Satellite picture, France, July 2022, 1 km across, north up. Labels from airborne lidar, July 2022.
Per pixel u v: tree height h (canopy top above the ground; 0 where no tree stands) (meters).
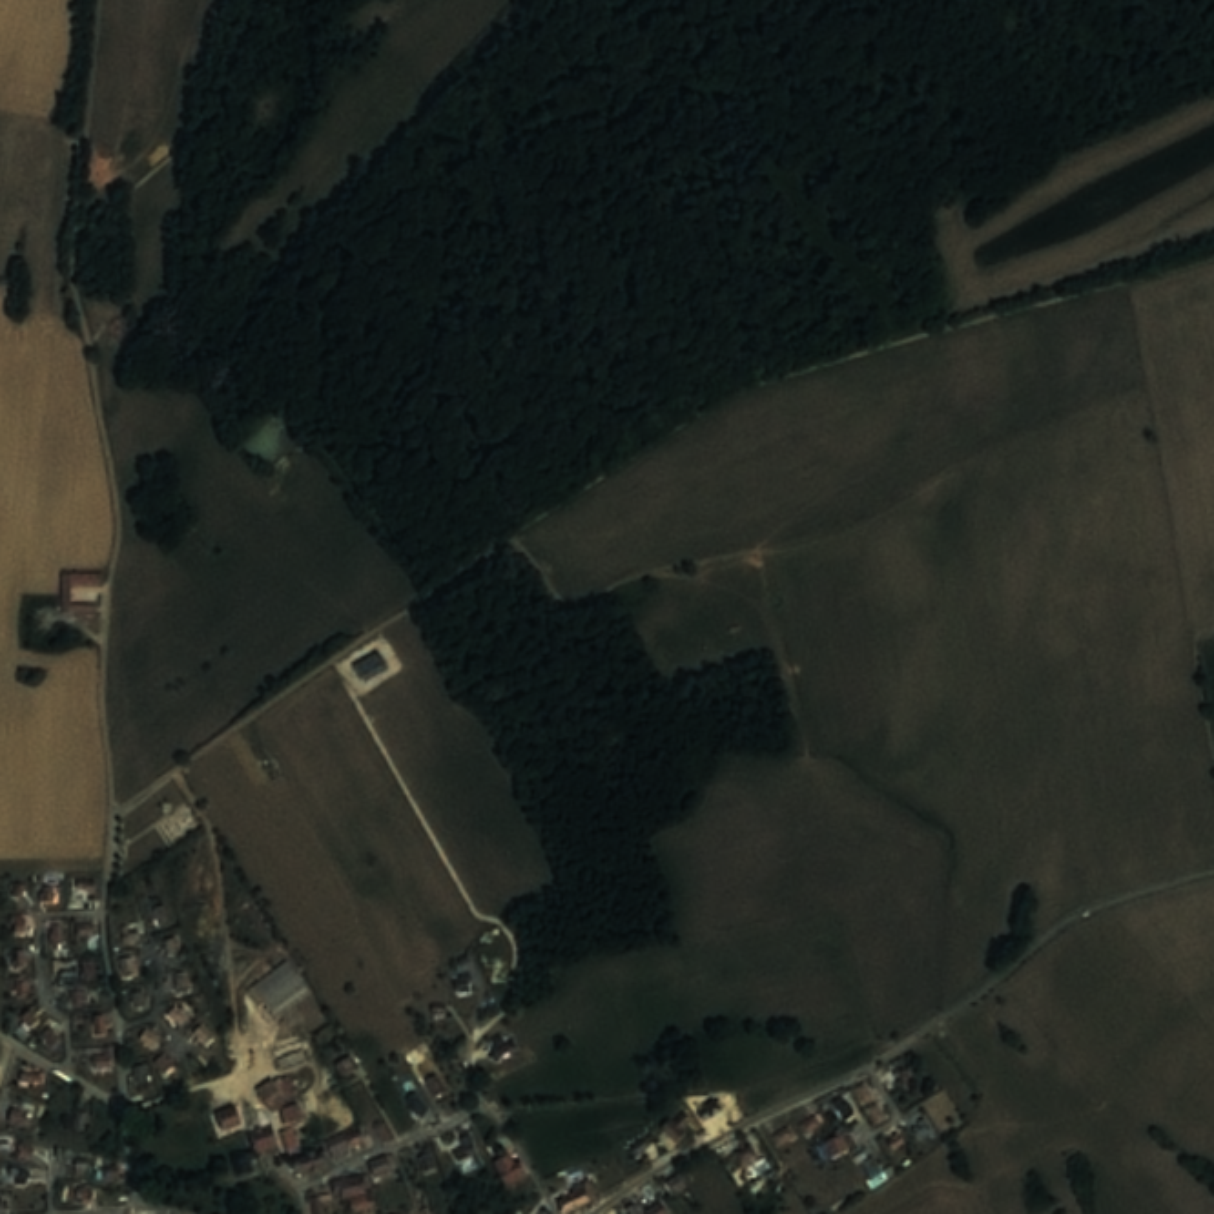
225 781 0
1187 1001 0
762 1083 0
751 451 0
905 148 26
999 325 0
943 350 0
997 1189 0
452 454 29
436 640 16
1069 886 0
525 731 25
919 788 0
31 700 0
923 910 0
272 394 24
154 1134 20
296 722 0
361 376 27
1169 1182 0
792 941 0
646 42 26
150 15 0
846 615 0
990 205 13
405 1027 0
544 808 16
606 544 0
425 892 0
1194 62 24
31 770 0
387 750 0
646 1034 0
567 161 20
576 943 21
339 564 0
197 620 0
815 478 0
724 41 24
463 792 0
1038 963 0
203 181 22
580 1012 0
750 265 14
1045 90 22
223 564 0
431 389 26
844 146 26
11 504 0
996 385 0
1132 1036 0
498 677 23
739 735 28
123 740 0
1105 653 0
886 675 0
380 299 28
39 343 0
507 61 26
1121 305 0
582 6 26
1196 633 0
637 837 18
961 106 10
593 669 25
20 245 7
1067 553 0
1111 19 15
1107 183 0
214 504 0
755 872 0
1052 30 16
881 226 24
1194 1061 0
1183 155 0
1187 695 0
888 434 0
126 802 0
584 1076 0
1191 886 0
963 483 0
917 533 0
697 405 16
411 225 27
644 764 18
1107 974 0
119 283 17
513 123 6
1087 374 0
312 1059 0
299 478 0
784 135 21
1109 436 0
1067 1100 0
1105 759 0
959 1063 0
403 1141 0
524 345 24
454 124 25
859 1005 0
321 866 0
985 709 0
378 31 15
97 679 0
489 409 27
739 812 0
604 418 20
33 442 0
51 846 0
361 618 0
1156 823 0
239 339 18
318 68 23
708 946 0
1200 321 0
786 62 21
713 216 22
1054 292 6
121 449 0
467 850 0
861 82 14
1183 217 0
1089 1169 7
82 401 0
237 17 14
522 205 27
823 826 0
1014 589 0
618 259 23
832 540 0
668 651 0
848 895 0
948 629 0
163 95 0
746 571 0
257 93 22
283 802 0
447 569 16
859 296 23
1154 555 0
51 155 0
